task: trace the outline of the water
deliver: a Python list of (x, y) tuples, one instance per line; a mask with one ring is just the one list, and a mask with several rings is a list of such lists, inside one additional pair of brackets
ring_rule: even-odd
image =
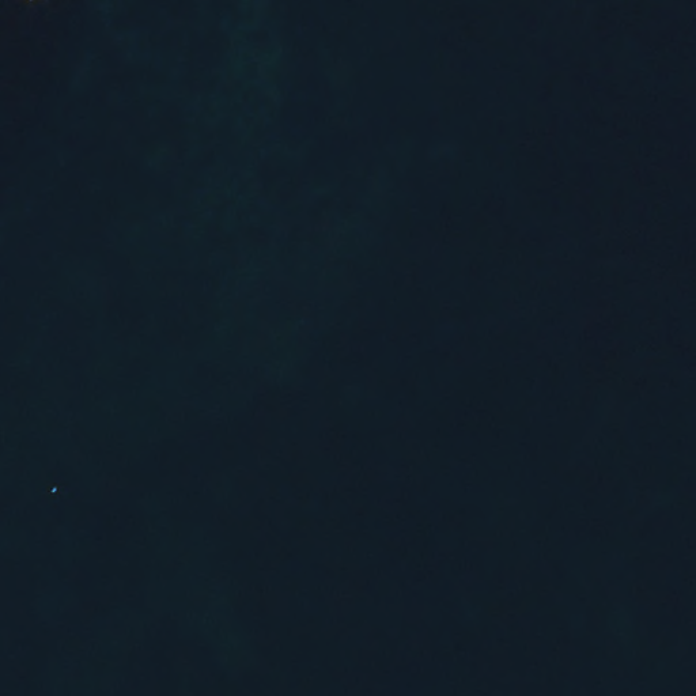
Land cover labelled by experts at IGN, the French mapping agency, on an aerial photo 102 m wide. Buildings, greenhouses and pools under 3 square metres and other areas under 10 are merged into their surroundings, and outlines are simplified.
[(0, 0), (0, 696), (696, 696), (696, 0)]

